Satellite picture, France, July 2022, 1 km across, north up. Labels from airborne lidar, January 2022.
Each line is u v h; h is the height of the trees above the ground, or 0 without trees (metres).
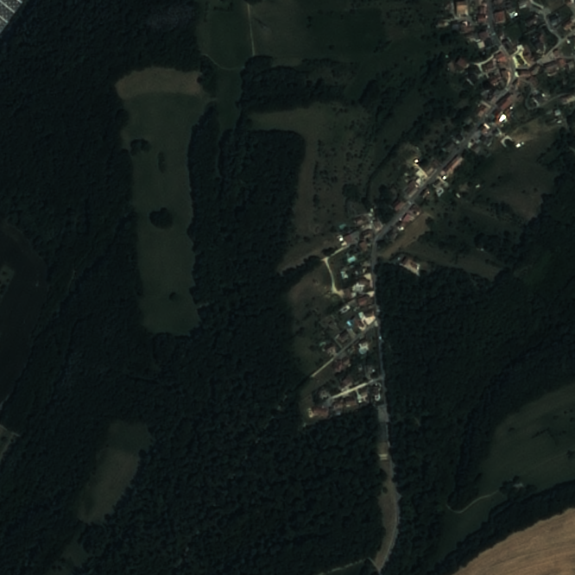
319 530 25
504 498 0
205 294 20
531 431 0
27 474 19
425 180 0
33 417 16
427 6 0
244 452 21
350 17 0
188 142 0
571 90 11
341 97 7
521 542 0
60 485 23
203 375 24
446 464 24
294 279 16
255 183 24
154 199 0
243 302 15
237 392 19
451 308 19
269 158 19
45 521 23
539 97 0
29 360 7
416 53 0
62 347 18
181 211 0
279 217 16
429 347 21
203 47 0
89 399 21
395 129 0
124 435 0
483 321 14
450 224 8
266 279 16
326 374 0
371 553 11
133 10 21
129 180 17
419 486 10
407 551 17
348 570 0
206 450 22
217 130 18
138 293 12
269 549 26
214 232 20
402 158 0
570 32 0
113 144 17
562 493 23
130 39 22
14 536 23
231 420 22
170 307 0
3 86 22
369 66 0
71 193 21
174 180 0
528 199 0
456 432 15
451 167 0
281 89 19
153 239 0
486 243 12
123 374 18
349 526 21
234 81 0
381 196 6
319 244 0
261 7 0
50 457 22
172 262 0
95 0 20
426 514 18
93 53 18
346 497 27
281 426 20
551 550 0
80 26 21
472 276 15
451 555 9
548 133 0
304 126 0
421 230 0
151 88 0
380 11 0
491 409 23
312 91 7
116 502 0
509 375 24
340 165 0
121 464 0
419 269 0
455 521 0
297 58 0
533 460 0
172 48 23
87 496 0
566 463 0
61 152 23
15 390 9
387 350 14
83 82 19
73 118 21
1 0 0
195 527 24
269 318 19
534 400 8
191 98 0
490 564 0
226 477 22
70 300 15
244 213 26
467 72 7
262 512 8
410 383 18
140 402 16
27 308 0
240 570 28
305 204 0
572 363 21
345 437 25
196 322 0
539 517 15
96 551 24
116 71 20
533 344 8
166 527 23
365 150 7
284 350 16
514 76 0
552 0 0
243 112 9
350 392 0
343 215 0
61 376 9
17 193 15
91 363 21
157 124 0
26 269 0
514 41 0
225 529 24
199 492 20
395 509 0
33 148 19
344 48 0
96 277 22
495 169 0
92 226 22
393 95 8
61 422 24
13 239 0
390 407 9
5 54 22
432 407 23
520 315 20
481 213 0
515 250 14
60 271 20
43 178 24
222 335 23
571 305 12
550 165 7
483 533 10
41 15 24
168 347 20
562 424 0
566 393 0
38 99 23
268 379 21
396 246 0
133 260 7
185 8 19
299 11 0
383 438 0
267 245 17
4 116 21
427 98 7
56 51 21
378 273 11
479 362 19
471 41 0
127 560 24
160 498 25
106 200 19
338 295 0
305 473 26
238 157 25
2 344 0
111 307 21
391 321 18
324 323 0
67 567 0
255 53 0
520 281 12
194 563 27
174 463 25
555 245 20
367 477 23
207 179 23
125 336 21
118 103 11
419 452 29
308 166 0
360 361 6
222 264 19
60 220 13
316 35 0
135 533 28
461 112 13
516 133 0
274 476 28
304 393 0
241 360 21
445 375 20
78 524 23
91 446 19
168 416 26
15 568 24
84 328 20
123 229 20
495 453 0
